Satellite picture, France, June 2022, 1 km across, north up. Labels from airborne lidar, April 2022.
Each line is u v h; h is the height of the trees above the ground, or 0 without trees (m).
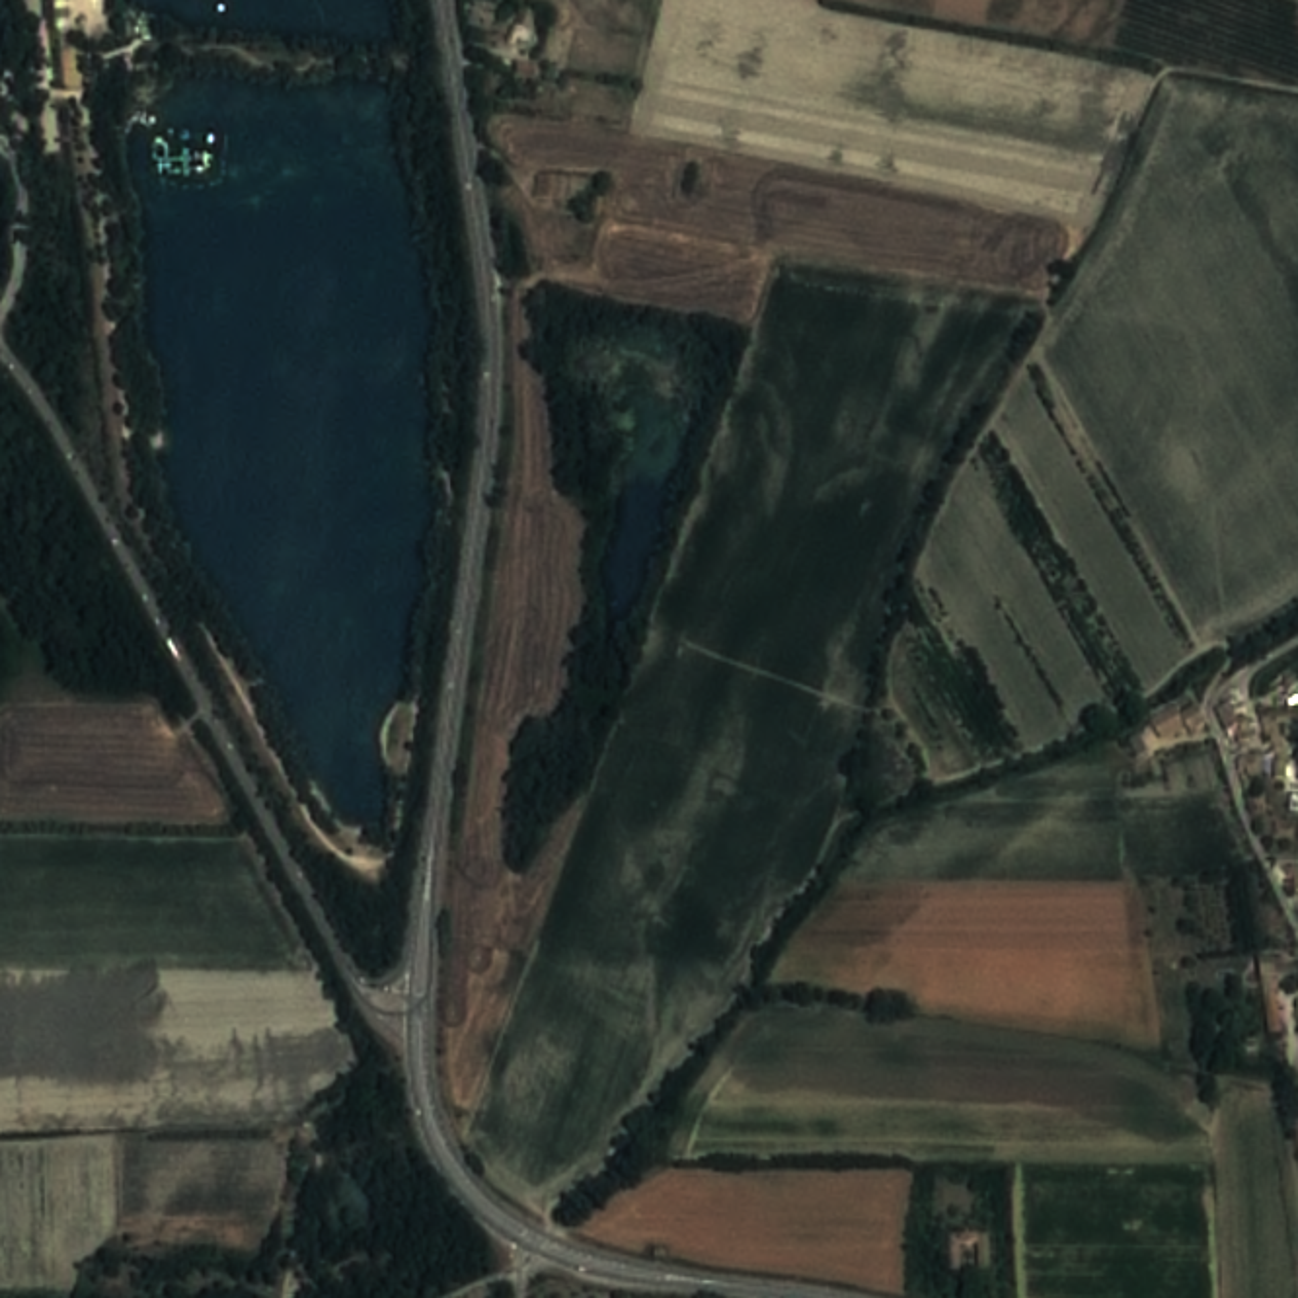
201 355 0
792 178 0
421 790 11
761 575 0
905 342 0
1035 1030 0
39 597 23
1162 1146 0
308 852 10
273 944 0
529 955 0
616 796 0
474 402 13
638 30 0
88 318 9
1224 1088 0
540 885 0
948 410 0
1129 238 0
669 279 0
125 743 0
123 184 20
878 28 0
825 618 0
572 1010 0
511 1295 11
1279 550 0
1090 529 0
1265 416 0
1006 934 0
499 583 0
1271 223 0
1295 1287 0
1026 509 6
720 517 0
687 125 0
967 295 0
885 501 0
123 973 0
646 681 0
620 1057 0
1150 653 0
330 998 12
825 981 0
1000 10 0
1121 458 0
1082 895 0
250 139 0
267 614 0
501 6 7
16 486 19
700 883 0
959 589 0
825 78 0
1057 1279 0
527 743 20
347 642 0
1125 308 0
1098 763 0
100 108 18
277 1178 0
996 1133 0
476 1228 9
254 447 0
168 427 0
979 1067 0
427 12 15
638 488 0
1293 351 0
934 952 0
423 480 0
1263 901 5
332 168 0
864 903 0
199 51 14
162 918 0
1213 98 0
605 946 0
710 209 0
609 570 0
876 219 0
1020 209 0
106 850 0
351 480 0
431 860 0
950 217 0
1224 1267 0
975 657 10
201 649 10
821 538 0
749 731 0
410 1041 0
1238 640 8
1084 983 0
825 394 0
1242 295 0
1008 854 0
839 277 0
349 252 0
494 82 0
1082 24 0
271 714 20
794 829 0
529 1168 0
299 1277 10
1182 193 0
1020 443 0
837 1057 0
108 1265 18
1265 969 0
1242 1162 0
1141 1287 0
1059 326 0
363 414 0
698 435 23
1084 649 7
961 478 0
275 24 0
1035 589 0
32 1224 0
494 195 0
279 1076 0
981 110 0
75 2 0
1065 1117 0
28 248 21
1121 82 0
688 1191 0
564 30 0
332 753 0
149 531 18
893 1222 0
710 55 0
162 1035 0
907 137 0
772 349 0
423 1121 0
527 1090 0
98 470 7
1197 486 0
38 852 0
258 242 0
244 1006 0
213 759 6
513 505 0
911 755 9
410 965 0
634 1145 15
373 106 0
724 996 0
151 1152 0
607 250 0
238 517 0
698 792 0
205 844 0
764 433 0
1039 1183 0
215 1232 0
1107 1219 0
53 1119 0
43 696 0
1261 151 0
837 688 0
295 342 0
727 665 0
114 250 13
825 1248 0
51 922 0
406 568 0
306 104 0
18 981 0
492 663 0
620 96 0
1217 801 0
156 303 0
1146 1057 0
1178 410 0
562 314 15
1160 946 0
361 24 0
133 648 13
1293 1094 27
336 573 0
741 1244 0
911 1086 0
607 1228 0
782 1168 14
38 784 0
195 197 0
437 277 16
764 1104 0
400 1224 13
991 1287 7
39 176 13
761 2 0
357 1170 16
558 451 12
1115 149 0
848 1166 16
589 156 0
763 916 0
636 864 0
